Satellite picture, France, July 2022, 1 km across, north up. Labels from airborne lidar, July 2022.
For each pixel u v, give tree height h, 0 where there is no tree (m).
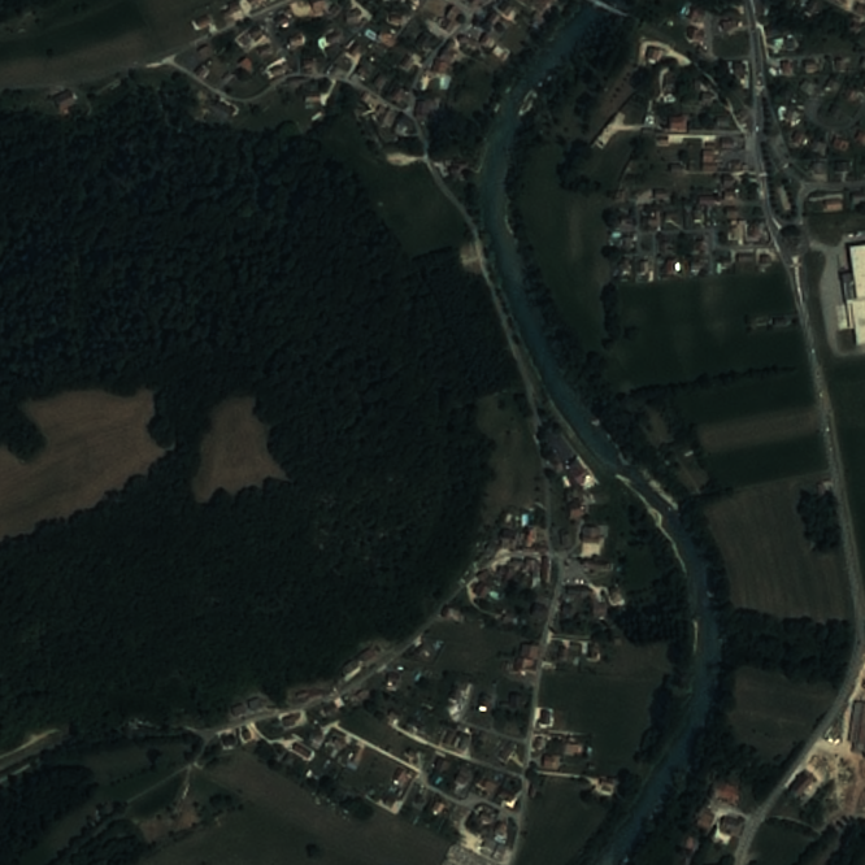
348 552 19
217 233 39
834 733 0
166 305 18
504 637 0
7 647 18
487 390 19
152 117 19
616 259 19
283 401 20
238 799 0
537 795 7
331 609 22
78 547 13
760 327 0
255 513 13
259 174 20
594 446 0
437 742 0
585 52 17
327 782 17
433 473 23
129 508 19
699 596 0
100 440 0
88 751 29
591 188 17
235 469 0
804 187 0
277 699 19
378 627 16
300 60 0
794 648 20
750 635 13
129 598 17
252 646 20
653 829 16
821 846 9
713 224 0
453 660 0
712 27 0
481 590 0
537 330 0
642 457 20
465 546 10
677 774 20
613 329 17
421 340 27
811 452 0
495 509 0
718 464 0
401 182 0
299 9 0
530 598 16
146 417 0
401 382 32
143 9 0
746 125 0
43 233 31
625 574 7
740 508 0
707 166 0
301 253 24
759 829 0
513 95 0
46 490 0
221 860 0
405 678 0
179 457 20
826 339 0
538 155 0
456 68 9
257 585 18
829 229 0
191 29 0
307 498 12
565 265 0
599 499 0
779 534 0
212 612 15
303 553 16
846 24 8
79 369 25
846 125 0
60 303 24
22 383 22
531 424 0
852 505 0
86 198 14
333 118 14
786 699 0
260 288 11
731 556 0
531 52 15
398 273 34
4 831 7
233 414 0
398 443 22
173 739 10
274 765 14
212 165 27
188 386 21
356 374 27
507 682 0
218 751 8
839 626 20
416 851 0
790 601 0
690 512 26
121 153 10
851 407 0
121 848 7
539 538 0
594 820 0
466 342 19
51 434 0
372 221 19
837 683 10
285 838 0
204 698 20
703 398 0
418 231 0
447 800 0
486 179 0
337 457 24
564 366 11
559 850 0
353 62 0
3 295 29
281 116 0
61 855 13
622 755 0
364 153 0
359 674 0
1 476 0
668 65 10
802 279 0
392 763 0
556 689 0
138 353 17
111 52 0
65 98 0
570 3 13
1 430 17
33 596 19
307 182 24
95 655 20
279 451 17
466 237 6
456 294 19
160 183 34
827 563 0
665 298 0
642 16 6
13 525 0
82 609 16
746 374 7
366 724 0
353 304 28
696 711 0
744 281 0
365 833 0
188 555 14
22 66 0
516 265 0
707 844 17
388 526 19
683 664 35
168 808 7
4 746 7
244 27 10
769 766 7
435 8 0
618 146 0
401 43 9
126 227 30
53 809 20
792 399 0
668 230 0
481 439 21
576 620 7
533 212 0
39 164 28
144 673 22
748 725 0
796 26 16
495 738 0
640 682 0
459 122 37
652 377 0
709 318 0
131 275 23
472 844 0
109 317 30
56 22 0
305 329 28
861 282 0
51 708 23
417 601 26
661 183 0
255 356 16
